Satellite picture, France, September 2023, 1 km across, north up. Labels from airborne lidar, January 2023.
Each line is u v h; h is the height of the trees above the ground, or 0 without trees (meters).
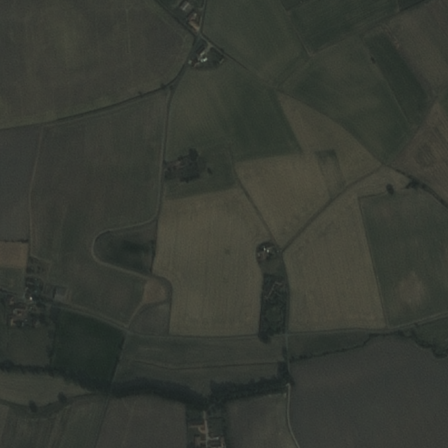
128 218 0
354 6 0
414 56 0
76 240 0
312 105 0
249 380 0
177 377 0
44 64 0
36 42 0
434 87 0
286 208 0
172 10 0
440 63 0
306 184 0
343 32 0
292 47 0
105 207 0
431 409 0
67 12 0
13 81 0
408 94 0
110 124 0
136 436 0
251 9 0
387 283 0
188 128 0
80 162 0
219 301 0
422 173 0
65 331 0
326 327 0
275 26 0
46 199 0
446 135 0
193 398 27
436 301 0
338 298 0
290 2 0
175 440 0
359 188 0
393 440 0
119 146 0
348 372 0
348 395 0
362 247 0
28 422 0
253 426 0
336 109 0
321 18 0
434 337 0
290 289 0
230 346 0
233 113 0
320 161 0
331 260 0
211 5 0
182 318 0
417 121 0
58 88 0
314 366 0
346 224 0
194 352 0
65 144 0
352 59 0
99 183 0
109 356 0
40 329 0
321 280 0
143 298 0
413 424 0
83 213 0
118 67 0
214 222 0
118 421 0
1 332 0
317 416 0
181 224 0
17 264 0
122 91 0
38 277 0
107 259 0
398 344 0
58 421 0
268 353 0
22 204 0
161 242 0
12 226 0
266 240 0
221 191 0
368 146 0
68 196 0
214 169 0
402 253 0
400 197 0
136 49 0
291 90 0
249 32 0
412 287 0
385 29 0
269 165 0
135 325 0
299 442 0
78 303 0
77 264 0
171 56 0
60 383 0
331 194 0
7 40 0
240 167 0
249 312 0
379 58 0
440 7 0
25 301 0
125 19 0
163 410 0
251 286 0
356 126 0
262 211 0
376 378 0
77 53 0
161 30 0
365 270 0
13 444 0
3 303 11
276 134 0
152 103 0
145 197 0
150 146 0
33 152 0
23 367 6
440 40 0
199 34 0
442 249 0
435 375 0
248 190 0
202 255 0
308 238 0
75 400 0
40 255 0
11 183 0
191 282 0
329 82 0
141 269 0
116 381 0
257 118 0
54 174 0
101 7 0
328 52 0
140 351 0
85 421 0
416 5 0
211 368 0
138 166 0
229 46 0
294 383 15
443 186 0
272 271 0
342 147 0
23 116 0
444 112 0
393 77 0
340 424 0
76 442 0
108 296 0
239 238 0
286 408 0
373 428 0
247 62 0
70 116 0
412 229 0
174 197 0
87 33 0
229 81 0
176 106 0
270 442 0
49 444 0
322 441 0
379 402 0
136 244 0
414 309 0
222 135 0
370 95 0
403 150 0
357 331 0
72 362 0
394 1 0
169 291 0
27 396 0
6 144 0
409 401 0
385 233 0
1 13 0
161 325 0
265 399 0
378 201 0
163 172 0
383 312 0
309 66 0
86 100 0
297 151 0
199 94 0
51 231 0
